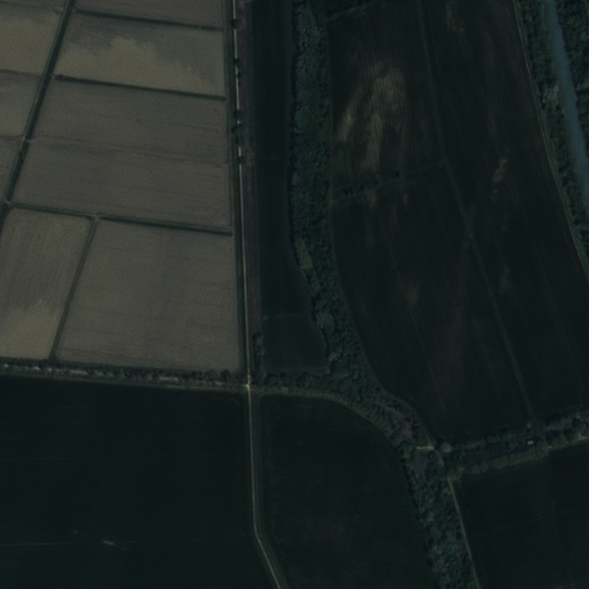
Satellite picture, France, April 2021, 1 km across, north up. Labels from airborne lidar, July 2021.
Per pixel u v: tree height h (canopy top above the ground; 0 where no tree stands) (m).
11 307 0
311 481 0
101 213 0
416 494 20
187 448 0
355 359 18
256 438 0
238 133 10
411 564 0
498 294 0
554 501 0
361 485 0
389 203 0
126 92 0
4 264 0
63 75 7
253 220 0
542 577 0
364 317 0
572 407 0
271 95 0
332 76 0
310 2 13
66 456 0
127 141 0
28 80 0
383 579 0
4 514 0
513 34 0
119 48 0
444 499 17
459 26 0
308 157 23
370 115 0
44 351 0
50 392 0
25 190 0
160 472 0
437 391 0
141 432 0
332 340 16
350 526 0
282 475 0
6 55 0
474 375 0
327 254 12
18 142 0
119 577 0
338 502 0
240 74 8
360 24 0
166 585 0
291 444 0
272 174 0
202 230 0
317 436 0
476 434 0
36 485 0
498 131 0
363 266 0
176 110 0
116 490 0
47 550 0
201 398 0
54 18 0
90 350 0
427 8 0
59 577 0
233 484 0
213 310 0
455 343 0
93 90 0
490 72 0
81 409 0
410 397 0
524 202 0
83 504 0
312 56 20
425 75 0
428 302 0
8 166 0
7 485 0
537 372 0
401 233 0
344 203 0
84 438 0
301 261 19
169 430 0
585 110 12
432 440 0
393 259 0
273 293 0
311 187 20
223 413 0
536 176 0
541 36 12
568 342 0
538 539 0
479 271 0
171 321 0
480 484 0
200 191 0
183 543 0
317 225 19
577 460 0
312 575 0
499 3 0
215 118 0
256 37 0
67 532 0
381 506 0
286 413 0
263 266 0
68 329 0
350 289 0
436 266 0
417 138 0
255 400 0
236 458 0
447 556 10
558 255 0
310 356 0
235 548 0
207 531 0
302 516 0
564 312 0
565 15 10
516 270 0
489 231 0
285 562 0
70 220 0
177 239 0
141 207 0
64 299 0
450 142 0
